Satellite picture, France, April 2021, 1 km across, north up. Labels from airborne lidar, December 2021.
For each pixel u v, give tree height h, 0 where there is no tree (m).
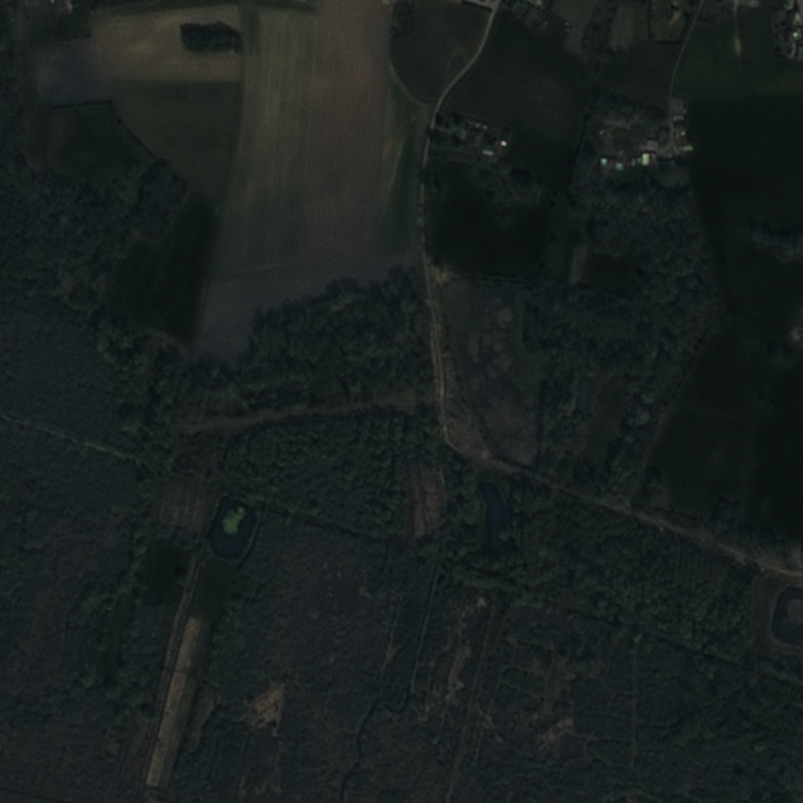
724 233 0
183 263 0
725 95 0
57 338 6
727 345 0
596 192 21
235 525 0
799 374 0
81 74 0
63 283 20
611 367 31
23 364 6
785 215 0
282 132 0
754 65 0
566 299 33
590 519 11
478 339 0
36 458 5
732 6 0
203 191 0
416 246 0
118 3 11
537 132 0
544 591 19
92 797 0
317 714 0
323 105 0
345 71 0
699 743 6
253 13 0
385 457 20
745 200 0
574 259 24
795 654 0
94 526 6
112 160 0
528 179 21
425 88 0
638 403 15
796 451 0
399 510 16
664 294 28
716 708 14
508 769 6
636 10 0
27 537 10
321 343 20
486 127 0
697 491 0
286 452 12
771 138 0
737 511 10
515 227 0
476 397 0
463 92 0
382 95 0
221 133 0
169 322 0
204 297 0
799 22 0
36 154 0
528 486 31
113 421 9
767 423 0
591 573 28
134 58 0
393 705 6
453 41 0
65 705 5
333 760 0
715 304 16
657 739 7
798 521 0
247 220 0
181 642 0
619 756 7
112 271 25
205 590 0
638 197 29
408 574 7
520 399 0
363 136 0
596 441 0
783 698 18
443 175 0
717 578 24
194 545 6
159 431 26
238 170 0
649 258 21
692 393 0
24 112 20
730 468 0
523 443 0
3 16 28
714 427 0
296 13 0
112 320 18
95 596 18
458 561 20
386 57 0
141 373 23
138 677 6
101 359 6
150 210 19
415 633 6
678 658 6
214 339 0
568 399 23
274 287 0
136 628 8
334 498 7
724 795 6
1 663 6
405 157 0
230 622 6
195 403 31
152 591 0
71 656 7
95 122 0
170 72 0
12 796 0
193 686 0
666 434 0
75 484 6
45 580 6
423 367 28
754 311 0
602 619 6
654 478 20
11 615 6
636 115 18
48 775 0
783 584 0
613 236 26
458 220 0
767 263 0
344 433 13
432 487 0
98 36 0
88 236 26
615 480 22
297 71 0
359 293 24
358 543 8
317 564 0
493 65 0
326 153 0
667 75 0
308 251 0
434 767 8
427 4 0
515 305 0
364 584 9
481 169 0
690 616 20
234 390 24
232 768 7
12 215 8
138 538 14
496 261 0
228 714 7
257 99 0
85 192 19
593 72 12
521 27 0
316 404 16
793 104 0
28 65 0
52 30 0
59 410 6
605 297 8
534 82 0
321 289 0
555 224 0
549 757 6
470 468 20
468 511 23
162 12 0
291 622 0
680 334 18
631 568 12
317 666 6
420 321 33
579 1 0
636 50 0
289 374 18
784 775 22
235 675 7
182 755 7
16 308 7
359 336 20
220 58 0
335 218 0
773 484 0
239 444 14
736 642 22
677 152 0
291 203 0
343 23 0
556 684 0
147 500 8
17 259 7
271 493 12
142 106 0
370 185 0
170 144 0
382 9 0
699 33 0
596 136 0
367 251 0
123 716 9
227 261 0
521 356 0
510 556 23
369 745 6
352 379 17
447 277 0
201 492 0
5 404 6
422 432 9
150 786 0
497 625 0
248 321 0
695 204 24
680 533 0
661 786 6
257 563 0
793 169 0
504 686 6
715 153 0
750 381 0
